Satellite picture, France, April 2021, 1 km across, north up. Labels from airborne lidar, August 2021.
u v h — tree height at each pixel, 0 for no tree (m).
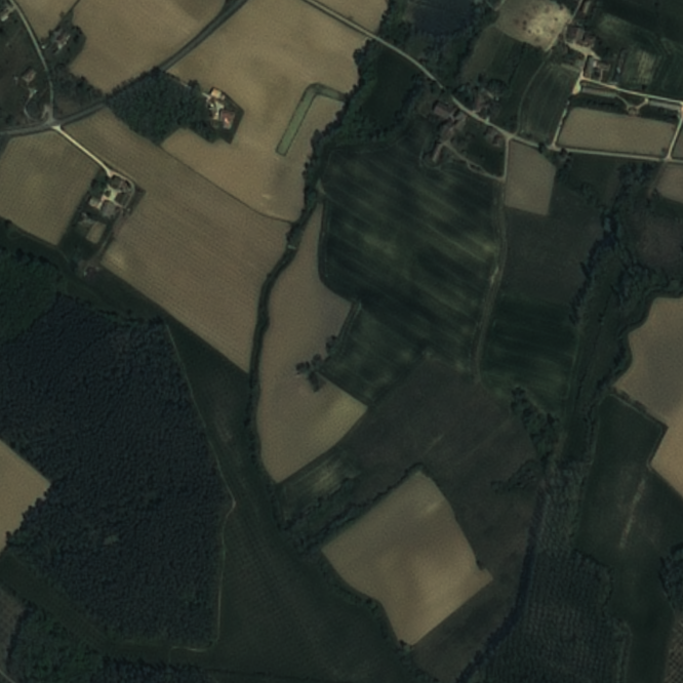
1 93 0
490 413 0
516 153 0
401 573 0
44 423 24
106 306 0
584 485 20
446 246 0
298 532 17
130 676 25
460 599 0
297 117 0
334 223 0
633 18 0
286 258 12
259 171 0
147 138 18
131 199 0
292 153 0
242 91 0
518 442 0
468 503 0
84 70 0
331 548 0
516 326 0
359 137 11
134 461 23
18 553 22
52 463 19
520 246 0
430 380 0
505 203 0
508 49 0
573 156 7
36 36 0
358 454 0
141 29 0
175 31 0
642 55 0
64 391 22
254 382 7
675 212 0
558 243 0
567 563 35
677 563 6
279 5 0
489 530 0
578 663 33
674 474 0
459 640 0
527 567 0
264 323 0
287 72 0
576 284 0
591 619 34
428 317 0
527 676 28
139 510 18
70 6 0
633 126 0
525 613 30
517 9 0
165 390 20
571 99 7
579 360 0
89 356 22
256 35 0
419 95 18
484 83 13
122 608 22
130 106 20
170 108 28
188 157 0
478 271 0
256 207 0
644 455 0
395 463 0
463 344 0
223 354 0
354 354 0
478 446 0
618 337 6
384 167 0
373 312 0
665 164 12
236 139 0
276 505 11
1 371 21
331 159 0
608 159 0
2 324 14
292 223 0
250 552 10
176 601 20
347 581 0
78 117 0
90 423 19
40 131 0
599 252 16
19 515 0
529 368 0
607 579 33
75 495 22
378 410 0
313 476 0
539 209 0
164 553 21
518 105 0
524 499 0
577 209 0
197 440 22
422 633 0
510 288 0
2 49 0
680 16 0
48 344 17
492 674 27
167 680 22
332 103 0
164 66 0
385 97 0
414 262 0
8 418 23
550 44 0
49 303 12
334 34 0
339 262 0
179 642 22
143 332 16
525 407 12
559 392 0
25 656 22
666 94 0
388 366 0
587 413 9
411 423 0
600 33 0
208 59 0
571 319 0
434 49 8
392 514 0
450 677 0
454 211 0
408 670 9
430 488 0
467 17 0
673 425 0
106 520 20
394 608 0
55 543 21
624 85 0
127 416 24
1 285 13
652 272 13
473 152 0
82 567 24
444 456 0
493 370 0
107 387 22
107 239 0
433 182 0
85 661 24
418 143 0
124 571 21
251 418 10
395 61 0
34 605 6
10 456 0
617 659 29
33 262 16
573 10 7
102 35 0
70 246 0
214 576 22
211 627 21
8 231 7
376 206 0
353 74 0
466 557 0
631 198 12
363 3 0
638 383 0
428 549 0
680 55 0
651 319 0
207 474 24
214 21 0
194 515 21
